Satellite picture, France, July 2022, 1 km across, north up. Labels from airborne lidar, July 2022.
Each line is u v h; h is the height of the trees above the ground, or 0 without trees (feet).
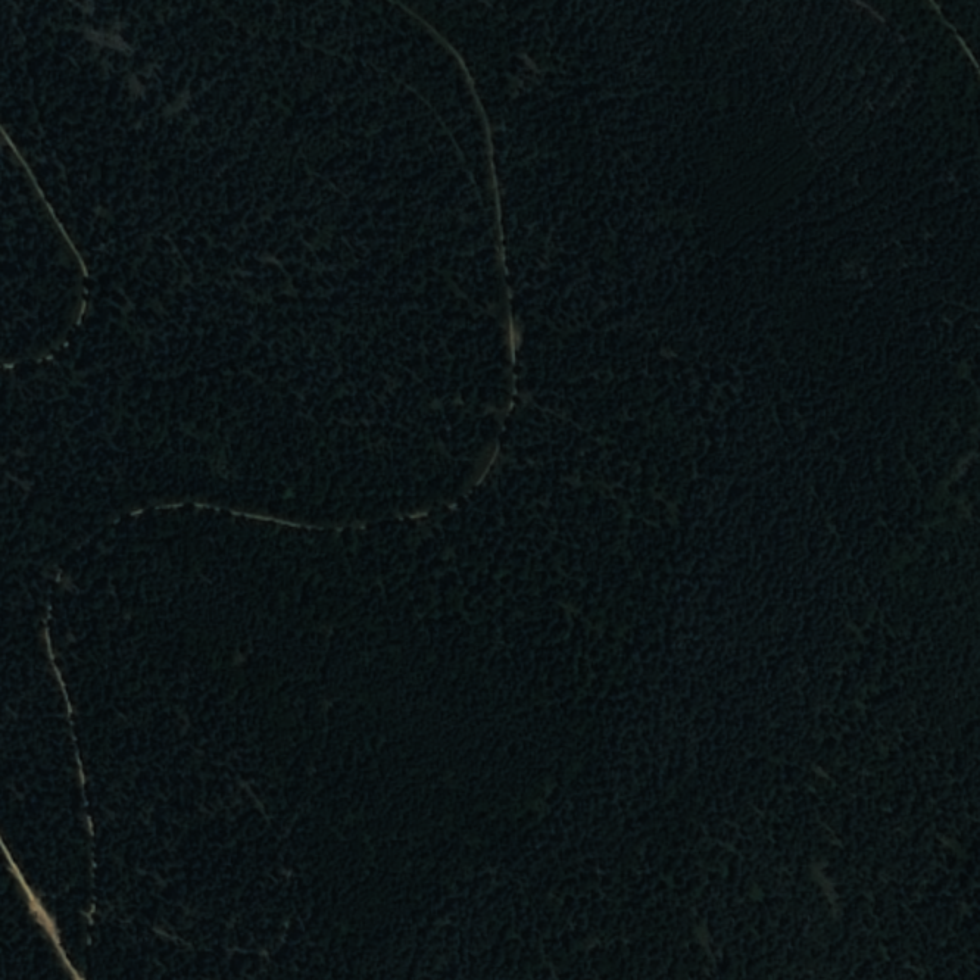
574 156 62
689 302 65
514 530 50
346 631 31
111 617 71
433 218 76
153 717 29
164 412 62
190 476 28
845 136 51
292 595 46
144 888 41
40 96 83
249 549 56
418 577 37
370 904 41
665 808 54
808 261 50
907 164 36
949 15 64
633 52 46
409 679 54
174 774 23
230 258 89
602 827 56
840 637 77
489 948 25
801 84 54
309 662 57
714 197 45
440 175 53
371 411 75
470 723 50
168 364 66
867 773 65
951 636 51
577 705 45
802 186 32
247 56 75
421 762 52
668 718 50
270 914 33
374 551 54
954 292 40
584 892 63
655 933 42
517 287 62
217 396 43
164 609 60
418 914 72
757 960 63
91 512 39
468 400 57
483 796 48
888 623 35
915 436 62
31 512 60
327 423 53
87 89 62
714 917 72
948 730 71
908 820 68
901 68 49
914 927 73
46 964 81
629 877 48
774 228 47
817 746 93
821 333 38
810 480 51
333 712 41
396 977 73
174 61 47
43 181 66
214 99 61
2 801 50
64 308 62
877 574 60
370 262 49
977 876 73
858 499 60
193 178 64
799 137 33
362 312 47
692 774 42
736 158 58
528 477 52
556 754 43
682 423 64
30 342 94
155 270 57
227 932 75
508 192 25
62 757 62
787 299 53
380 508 56
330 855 36
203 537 45
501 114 40
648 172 65
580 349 33
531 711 32
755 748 75
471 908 62
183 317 84
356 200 30
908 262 45
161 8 31
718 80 67
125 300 92
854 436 41
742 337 63
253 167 63
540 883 63
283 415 35
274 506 53
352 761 51
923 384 55
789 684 84
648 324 32
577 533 52
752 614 76
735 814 65
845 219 50
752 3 42
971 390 63
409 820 53
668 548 32
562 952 56
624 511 36
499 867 60
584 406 42
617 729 73
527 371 33
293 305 66
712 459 28
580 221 47
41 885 45
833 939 64
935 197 65
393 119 58
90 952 56
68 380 47
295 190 66
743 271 66
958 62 29
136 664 63
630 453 61
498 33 35
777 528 65
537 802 24
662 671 74
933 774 72
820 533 66
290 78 61
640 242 76
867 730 62
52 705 63
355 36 73
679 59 40
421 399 66
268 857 43
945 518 27
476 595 53
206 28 55
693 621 63
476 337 63
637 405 54
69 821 89
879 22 58
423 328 51
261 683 43
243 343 101
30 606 61
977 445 31
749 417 66
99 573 51
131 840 46
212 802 63
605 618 46
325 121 68
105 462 80
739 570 87
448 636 46
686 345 33
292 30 58
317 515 50
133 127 51
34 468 61
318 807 49
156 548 28
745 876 65
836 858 61
